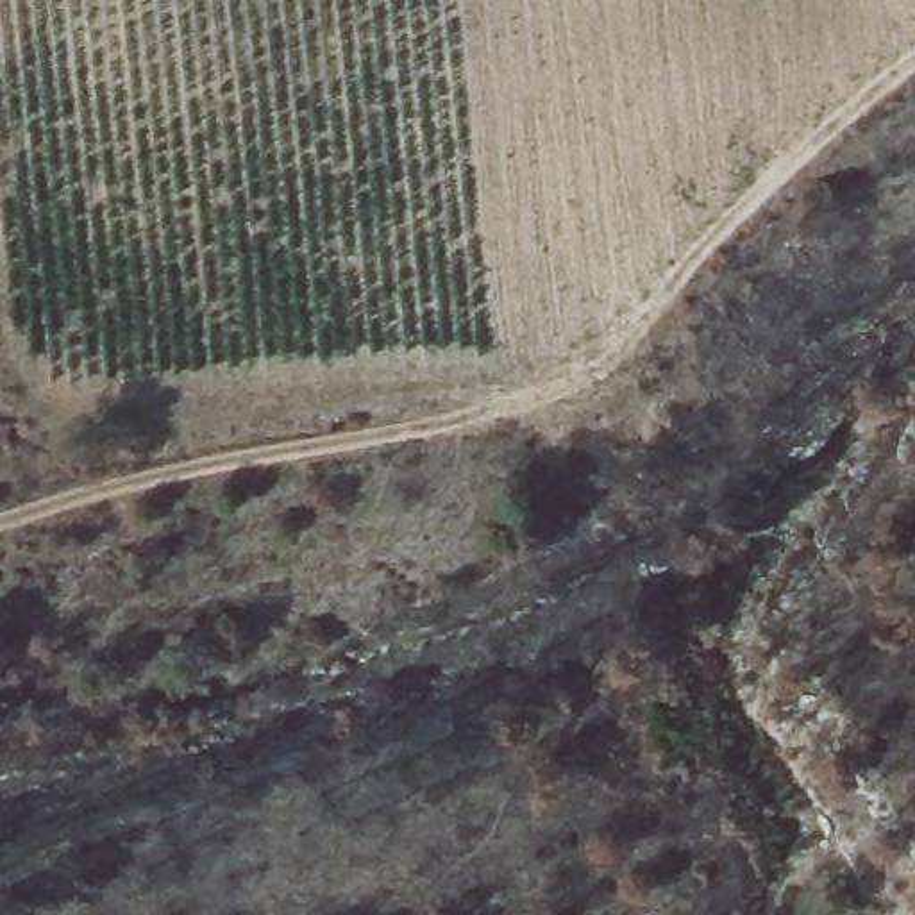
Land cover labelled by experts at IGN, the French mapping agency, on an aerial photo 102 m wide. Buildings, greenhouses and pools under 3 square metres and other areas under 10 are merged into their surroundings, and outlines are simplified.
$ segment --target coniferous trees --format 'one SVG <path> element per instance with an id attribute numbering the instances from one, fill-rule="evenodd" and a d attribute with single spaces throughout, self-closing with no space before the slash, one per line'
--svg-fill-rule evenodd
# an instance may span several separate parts
<path id="1" fill-rule="evenodd" d="M 493 504 L 490 543 L 497 550 L 518 550 L 529 543 L 525 518 L 504 493 Z"/>
<path id="2" fill-rule="evenodd" d="M 858 561 L 869 572 L 872 615 L 890 622 L 894 633 L 915 643 L 915 504 L 904 504 L 894 515 L 883 554 Z"/>

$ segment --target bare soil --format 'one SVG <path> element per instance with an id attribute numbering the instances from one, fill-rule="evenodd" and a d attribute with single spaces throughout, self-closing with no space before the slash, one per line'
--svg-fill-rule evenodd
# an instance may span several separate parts
<path id="1" fill-rule="evenodd" d="M 518 550 L 497 550 L 490 543 L 493 504 L 504 493 L 525 518 L 529 543 Z M 779 193 L 751 222 L 743 222 L 733 232 L 733 239 L 711 254 L 708 264 L 693 272 L 686 293 L 661 311 L 661 318 L 651 325 L 636 354 L 611 368 L 608 379 L 590 382 L 575 397 L 561 397 L 550 407 L 540 407 L 525 418 L 500 418 L 483 432 L 407 440 L 361 454 L 239 468 L 232 475 L 214 479 L 164 483 L 157 490 L 139 493 L 139 500 L 122 515 L 114 515 L 111 500 L 100 500 L 54 522 L 0 533 L 0 915 L 915 915 L 915 643 L 894 633 L 890 622 L 872 615 L 869 572 L 858 561 L 883 554 L 894 515 L 904 504 L 915 504 L 915 75 L 869 114 L 861 114 L 833 147 L 826 147 L 790 182 L 783 182 Z"/>

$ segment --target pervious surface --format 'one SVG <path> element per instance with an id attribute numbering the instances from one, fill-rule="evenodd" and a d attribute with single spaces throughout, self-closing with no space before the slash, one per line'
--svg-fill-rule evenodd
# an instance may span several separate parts
<path id="1" fill-rule="evenodd" d="M 611 368 L 636 354 L 651 325 L 661 318 L 661 311 L 686 293 L 693 272 L 708 264 L 711 254 L 733 239 L 733 232 L 743 222 L 751 222 L 779 193 L 783 182 L 790 182 L 826 147 L 833 147 L 861 114 L 869 114 L 915 75 L 915 46 L 904 50 L 897 61 L 886 61 L 879 75 L 861 79 L 847 104 L 833 107 L 818 125 L 804 129 L 801 143 L 772 157 L 772 164 L 758 172 L 754 186 L 736 200 L 736 207 L 722 214 L 718 225 L 704 229 L 701 239 L 686 247 L 676 243 L 668 254 L 676 264 L 665 268 L 654 279 L 654 286 L 618 286 L 618 272 L 611 272 L 608 300 L 597 315 L 597 357 L 554 368 L 550 382 L 533 382 L 508 393 L 475 393 L 468 407 L 407 418 L 400 425 L 365 425 L 318 440 L 207 454 L 179 465 L 143 468 L 132 475 L 107 475 L 89 486 L 71 486 L 61 493 L 36 497 L 29 504 L 0 508 L 0 533 L 54 522 L 100 500 L 111 500 L 114 515 L 122 515 L 139 500 L 139 493 L 157 490 L 164 483 L 214 479 L 232 475 L 239 468 L 361 454 L 407 440 L 483 432 L 500 418 L 525 418 L 540 407 L 550 407 L 561 397 L 575 397 L 590 382 L 608 379 Z"/>

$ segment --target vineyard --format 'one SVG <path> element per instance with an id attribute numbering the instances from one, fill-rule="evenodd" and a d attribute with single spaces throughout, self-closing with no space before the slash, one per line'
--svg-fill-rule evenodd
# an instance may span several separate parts
<path id="1" fill-rule="evenodd" d="M 722 214 L 736 207 L 736 200 L 754 186 L 758 172 L 772 164 L 772 157 L 801 143 L 804 129 L 818 125 L 833 107 L 847 104 L 861 79 L 879 75 L 886 61 L 897 61 L 904 50 L 915 46 L 915 0 L 0 0 L 0 508 L 29 504 L 36 497 L 61 493 L 71 486 L 89 486 L 107 475 L 132 475 L 143 468 L 179 465 L 207 454 L 318 440 L 365 425 L 400 425 L 407 418 L 468 407 L 475 393 L 508 393 L 533 382 L 550 382 L 554 368 L 597 357 L 597 315 L 608 300 L 611 272 L 618 272 L 618 286 L 654 286 L 654 279 L 665 268 L 676 264 L 668 254 L 676 243 L 686 247 L 701 239 L 704 229 L 718 225 Z"/>

